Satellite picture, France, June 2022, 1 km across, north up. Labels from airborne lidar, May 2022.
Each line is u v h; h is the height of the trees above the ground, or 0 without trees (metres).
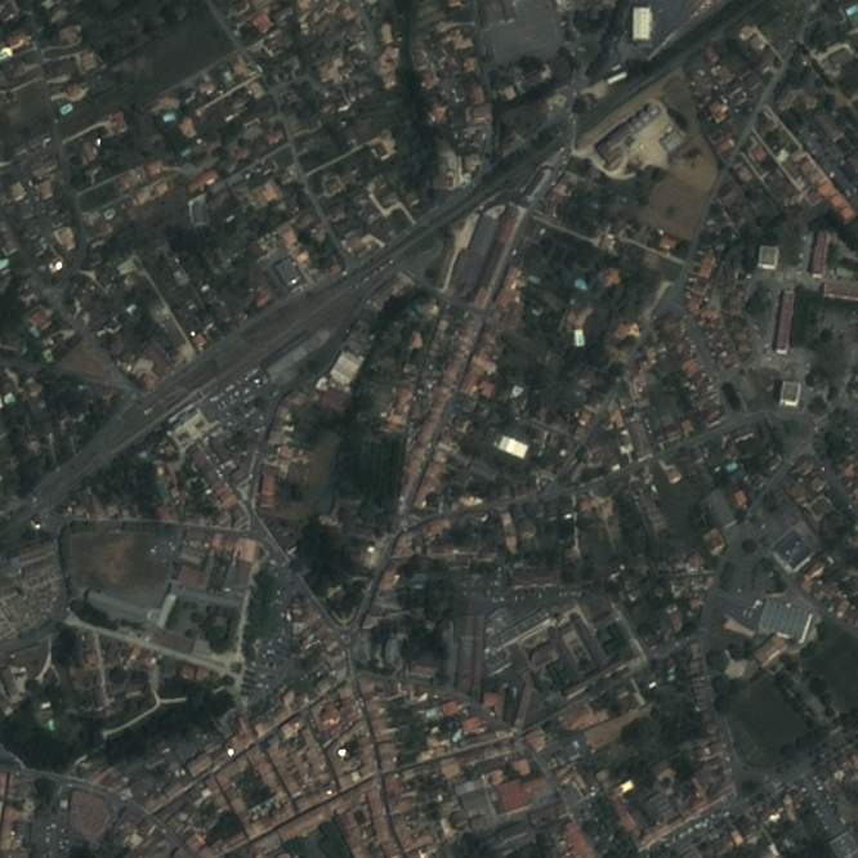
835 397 6
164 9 9
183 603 11
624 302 15
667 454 0
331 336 0
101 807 0
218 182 0
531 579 0
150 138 0
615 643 12
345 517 16
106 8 9
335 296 0
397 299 10
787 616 0
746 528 0
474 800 0
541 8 0
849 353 0
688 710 6
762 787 0
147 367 0
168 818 0
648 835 0
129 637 0
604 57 10
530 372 5
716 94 7
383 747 0
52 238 0
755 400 0
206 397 0
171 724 16
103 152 6
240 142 9
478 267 0
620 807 0
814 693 13
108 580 0
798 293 16
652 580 12
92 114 0
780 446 10
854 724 16
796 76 7
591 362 14
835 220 11
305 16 0
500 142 11
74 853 8
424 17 0
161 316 0
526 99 9
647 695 8
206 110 0
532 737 0
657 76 0
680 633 12
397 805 0
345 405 10
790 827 8
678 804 0
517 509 17
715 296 0
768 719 0
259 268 0
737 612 0
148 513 7
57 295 0
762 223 14
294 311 0
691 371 0
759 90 0
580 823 0
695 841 9
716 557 7
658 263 0
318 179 7
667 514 0
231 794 0
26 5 16
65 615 0
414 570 7
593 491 0
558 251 11
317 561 13
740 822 6
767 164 10
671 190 0
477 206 0
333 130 10
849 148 8
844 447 15
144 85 0
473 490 8
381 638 7
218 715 11
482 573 8
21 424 8
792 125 7
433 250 0
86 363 0
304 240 10
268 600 27
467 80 7
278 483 14
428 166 13
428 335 8
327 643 0
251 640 24
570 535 8
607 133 0
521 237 0
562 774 0
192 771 0
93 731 13
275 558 0
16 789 0
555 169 0
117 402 20
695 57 7
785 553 0
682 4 0
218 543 0
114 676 13
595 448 0
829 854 8
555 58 0
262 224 10
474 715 0
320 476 0
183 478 11
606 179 8
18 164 7
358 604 18
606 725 0
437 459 0
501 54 0
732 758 0
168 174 0
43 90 0
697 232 0
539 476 0
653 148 0
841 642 0
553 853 0
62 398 6
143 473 6
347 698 0
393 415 0
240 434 8
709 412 0
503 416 7
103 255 6
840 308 16
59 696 7
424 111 6
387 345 8
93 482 11
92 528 11
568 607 0
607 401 0
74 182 11
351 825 0
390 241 0
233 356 0
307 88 8
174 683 7
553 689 11
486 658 0
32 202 0
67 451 11
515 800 0
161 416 0
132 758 13
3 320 6
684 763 8
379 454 10
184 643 0
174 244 13
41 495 0
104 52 9
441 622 13
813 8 0
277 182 9
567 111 0
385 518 14
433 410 0
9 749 14
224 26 0
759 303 20
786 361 0
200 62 0
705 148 0
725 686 15
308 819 0
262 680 0
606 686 16
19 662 0
